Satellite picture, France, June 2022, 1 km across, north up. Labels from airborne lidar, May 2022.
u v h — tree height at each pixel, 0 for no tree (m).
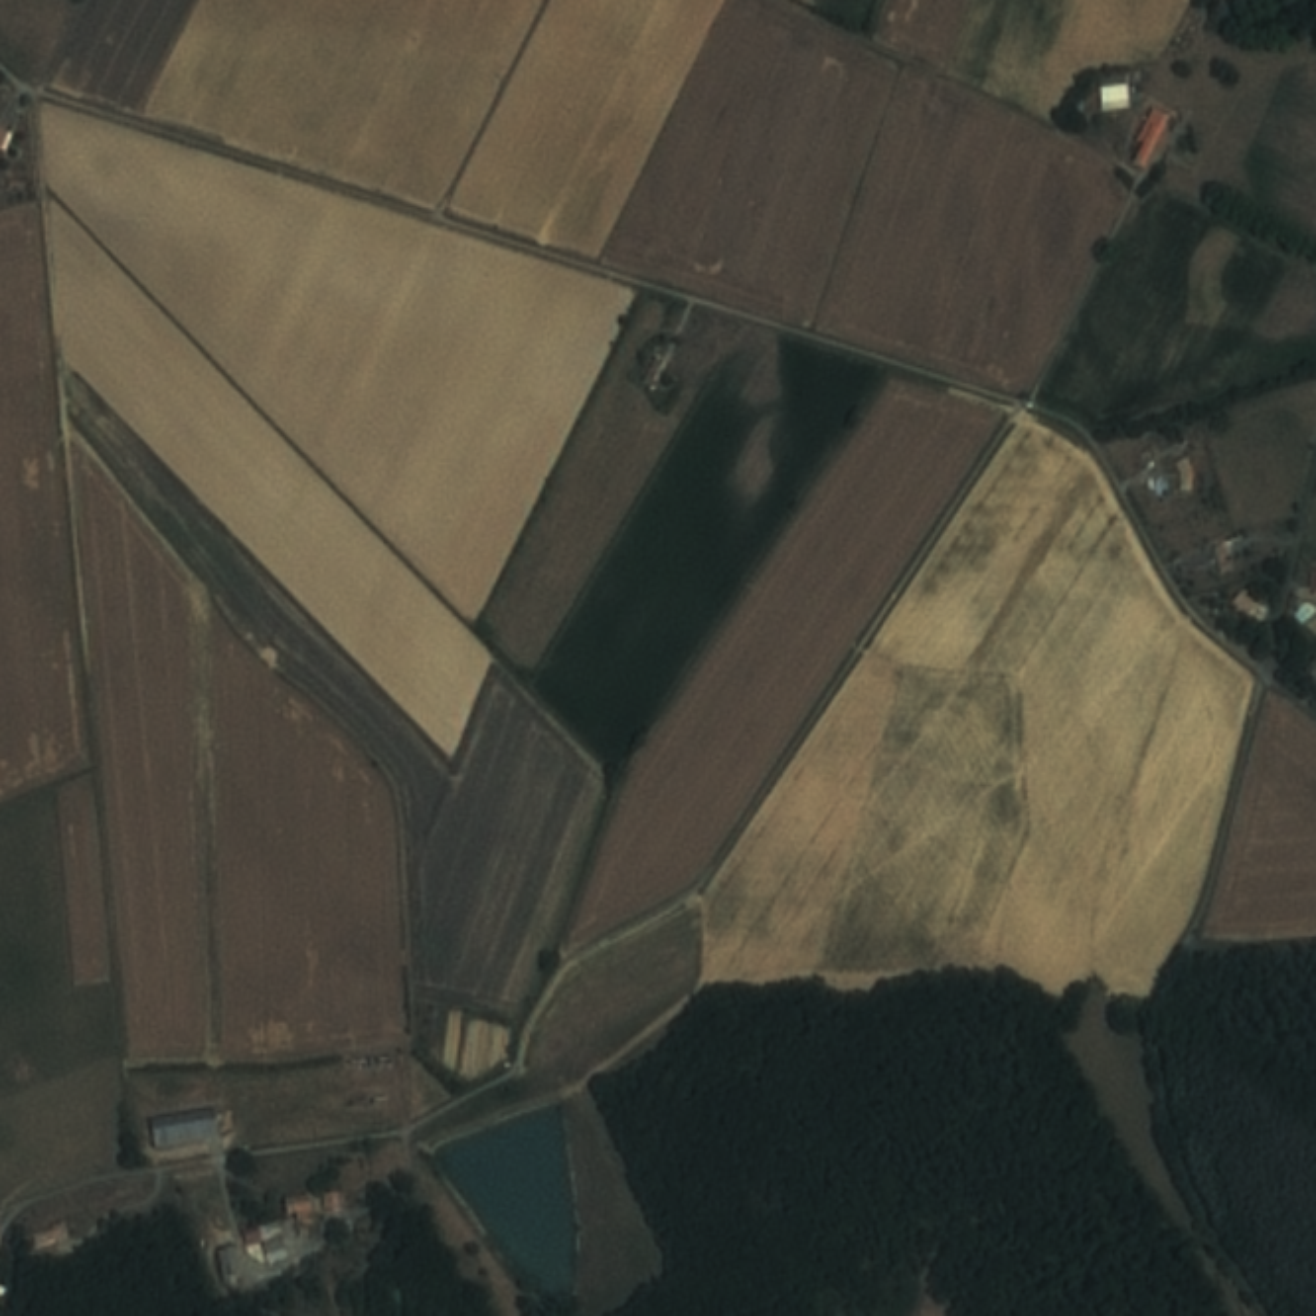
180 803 0
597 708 0
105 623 0
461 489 0
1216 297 0
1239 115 0
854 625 0
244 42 0
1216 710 0
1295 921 0
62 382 0
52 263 0
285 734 0
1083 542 0
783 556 0
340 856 0
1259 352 0
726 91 0
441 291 0
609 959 0
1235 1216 14
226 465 0
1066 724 0
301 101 0
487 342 0
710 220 0
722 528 0
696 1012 13
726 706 0
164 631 0
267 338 0
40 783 0
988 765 0
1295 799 0
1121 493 0
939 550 0
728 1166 12
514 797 0
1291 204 0
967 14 0
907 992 15
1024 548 0
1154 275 0
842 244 0
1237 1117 16
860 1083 18
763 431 0
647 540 0
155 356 0
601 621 0
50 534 0
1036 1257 23
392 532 0
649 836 0
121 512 0
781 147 0
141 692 0
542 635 0
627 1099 11
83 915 0
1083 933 0
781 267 0
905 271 0
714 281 0
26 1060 0
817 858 0
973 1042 19
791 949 0
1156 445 0
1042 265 0
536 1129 0
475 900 0
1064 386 0
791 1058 18
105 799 0
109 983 0
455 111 0
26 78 0
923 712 0
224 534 0
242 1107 0
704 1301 14
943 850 0
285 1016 0
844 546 0
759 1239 17
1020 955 0
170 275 0
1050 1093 9
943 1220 20
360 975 0
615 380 0
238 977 0
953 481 0
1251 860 0
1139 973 0
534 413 0
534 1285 7
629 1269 0
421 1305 13
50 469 0
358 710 0
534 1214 0
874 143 0
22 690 0
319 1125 0
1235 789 0
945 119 0
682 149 0
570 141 0
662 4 0
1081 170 0
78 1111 0
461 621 0
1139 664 0
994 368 0
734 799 0
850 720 0
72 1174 0
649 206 0
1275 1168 15
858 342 0
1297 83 0
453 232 0
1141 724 0
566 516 0
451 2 0
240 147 0
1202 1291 24
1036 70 0
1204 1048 16
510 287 0
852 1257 8
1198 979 21
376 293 0
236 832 0
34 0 0
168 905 0
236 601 0
